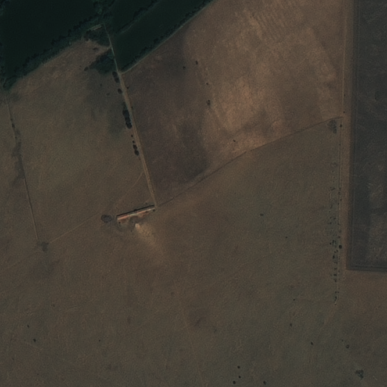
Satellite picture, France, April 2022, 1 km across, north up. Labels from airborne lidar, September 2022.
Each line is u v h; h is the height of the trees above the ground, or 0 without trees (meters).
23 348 0
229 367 0
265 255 0
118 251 0
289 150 0
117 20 0
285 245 0
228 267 0
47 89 0
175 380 0
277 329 0
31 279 0
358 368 0
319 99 0
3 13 9
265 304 0
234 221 0
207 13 0
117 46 0
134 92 0
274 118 0
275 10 0
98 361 0
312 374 0
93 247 0
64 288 0
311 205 0
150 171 0
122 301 0
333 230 0
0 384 0
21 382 0
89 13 0
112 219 0
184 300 0
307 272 0
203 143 0
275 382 0
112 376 0
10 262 0
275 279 0
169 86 0
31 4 0
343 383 0
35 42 0
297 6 0
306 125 0
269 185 0
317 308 0
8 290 0
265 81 0
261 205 0
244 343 0
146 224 0
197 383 0
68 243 0
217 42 0
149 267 0
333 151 0
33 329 0
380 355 0
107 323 0
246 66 0
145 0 0
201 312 0
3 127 0
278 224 0
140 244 0
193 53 0
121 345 0
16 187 0
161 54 0
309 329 0
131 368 0
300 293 0
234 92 0
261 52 0
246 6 0
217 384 0
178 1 0
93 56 0
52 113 0
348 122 0
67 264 0
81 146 0
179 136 0
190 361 0
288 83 0
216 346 0
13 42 0
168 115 0
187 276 0
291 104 0
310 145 0
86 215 0
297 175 0
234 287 0
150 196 0
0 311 0
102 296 0
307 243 0
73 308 0
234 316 0
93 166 0
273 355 0
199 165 0
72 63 0
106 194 0
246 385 0
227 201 0
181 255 0
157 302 0
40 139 0
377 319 0
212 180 0
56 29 0
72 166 0
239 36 0
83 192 0
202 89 0
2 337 0
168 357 0
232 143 0
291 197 0
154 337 0
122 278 0
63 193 0
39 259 0
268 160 0
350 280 0
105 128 0
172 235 0
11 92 0
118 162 0
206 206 0
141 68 0
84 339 0
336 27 0
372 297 0
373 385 0
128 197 0
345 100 0
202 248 0
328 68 0
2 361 0
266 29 0
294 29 0
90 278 0
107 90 0
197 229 0
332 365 0
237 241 0
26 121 0
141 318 0
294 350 0
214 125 0
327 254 0
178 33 0
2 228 0
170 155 0
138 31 0
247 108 0
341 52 0
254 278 0
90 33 10
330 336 0
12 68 0
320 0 0
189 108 0
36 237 0
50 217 0
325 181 0
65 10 0
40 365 0
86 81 0
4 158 0
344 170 0
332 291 0
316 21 0
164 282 0
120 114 0
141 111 0
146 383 0
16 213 0
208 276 0
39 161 0
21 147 0
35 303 0
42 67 0
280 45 0
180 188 0
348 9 0
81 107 0
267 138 0
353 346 0
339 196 0
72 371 0
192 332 0
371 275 0
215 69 0
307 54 0
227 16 0
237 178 0
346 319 0
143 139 0
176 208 0
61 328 0
